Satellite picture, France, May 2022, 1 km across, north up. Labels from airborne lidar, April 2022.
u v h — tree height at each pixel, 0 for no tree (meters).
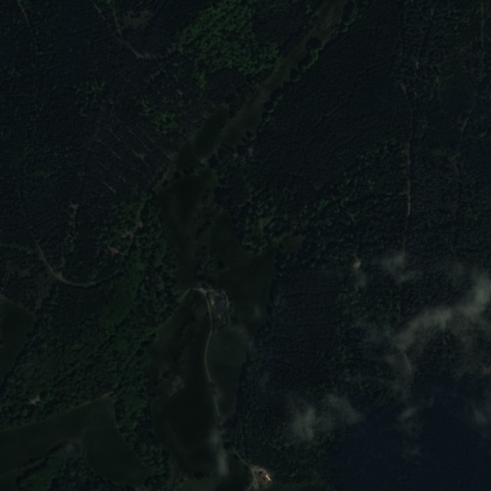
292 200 12
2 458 0
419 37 23
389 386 27
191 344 0
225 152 25
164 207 0
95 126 23
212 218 12
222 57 22
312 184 13
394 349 33
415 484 27
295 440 26
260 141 17
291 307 25
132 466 0
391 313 19
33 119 20
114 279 16
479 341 18
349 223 13
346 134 23
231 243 0
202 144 0
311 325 24
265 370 21
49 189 24
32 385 19
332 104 18
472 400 9
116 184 22
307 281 26
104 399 0
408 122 23
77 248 13
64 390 27
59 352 20
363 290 19
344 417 25
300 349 22
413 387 21
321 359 24
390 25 18
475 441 19
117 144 23
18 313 0
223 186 15
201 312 0
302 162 16
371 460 31
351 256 13
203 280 20
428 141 7
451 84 6
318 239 26
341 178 33
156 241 30
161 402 0
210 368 0
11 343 0
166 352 0
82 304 14
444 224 6
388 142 20
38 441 0
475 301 16
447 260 21
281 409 28
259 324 0
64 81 24
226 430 23
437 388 18
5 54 25
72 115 23
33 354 23
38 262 10
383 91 18
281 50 25
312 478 20
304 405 27
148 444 32
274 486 0
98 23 21
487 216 17
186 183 0
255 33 26
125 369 23
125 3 14
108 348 24
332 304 23
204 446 0
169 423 0
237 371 0
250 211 26
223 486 0
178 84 25
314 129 21
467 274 19
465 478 20
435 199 26
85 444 0
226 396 0
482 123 8
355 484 20
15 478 0
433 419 20
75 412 0
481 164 22
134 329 24
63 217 22
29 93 25
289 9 30
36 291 10
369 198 23
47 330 13
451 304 21
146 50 18
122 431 19
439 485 25
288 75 0
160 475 22
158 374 0
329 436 26
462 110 7
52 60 26
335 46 14
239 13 24
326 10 0
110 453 0
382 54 19
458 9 33
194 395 0
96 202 20
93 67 21
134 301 23
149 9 11
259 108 0
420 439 19
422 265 24
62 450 26
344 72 14
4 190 17
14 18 22
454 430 18
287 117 18
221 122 0
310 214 16
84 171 19
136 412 27
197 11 16
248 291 0
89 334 20
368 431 22
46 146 22
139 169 23
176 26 18
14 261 8
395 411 19
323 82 16
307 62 16
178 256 0
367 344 26
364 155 24
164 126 24
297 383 26
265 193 11
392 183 18
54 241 25
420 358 26
